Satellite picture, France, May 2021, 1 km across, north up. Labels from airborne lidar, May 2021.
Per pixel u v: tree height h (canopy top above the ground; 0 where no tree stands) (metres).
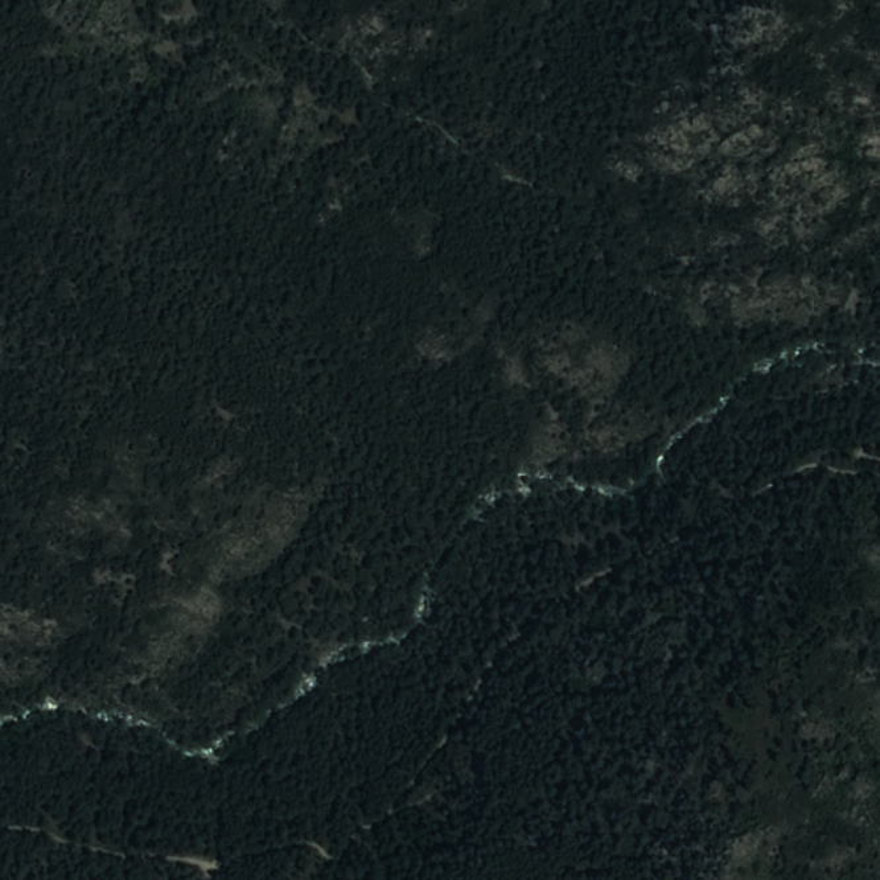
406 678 28
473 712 23
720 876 10
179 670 8
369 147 20
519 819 24
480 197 21
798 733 14
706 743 7
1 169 12
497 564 23
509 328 19
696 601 33
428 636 22
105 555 16
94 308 19
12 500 18
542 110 27
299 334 21
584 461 14
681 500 22
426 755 10
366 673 24
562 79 28
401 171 20
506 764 28
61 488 15
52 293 14
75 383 11
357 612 19
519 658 19
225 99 11
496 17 18
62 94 7
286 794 32
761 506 26
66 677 12
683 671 29
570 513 20
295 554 32
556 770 28
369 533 36
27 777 28
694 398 24
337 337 12
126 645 14
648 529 19
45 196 23
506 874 31
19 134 22
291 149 7
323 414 17
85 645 21
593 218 21
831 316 7
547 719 27
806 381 22
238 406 28
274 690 26
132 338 18
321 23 19
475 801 19
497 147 26
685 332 13
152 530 15
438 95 8
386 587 25
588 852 20
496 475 18
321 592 27
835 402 24
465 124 29
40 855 26
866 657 23
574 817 14
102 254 28
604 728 24
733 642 30
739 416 33
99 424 16
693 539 30
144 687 17
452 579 23
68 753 23
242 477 16
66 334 17
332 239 10
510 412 26
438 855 24
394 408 23
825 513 11
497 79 6
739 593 31
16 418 12
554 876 29
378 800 29
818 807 8
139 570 19
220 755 15
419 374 15
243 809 25
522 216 25
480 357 8
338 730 30
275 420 19
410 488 25
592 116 19
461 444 28
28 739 24
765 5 15
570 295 21
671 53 22
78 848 23
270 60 7
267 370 14
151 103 34
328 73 23
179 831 25
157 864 26
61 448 16
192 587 7
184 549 18
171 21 6
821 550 11
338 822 30
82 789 27
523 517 19
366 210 18
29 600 16
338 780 23
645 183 20
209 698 14
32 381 16
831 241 7
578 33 19
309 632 23
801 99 11
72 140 19
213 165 18
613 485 13
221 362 28
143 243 18
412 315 11
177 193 14
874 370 25
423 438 20
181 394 16
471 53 12
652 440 16
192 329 18
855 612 6
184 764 20
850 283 26
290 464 16
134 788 28
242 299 21
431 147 27
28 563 16
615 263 30
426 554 31
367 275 12
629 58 23
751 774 30
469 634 21
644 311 17
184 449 13
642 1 23
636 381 23
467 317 15
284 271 12
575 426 16
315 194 6
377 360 21
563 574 26
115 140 12
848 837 7
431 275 13
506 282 23
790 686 9
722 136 6
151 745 25
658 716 22
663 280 21
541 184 26
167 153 13
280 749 33
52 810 28
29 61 16
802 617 10
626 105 12
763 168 6
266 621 19
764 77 10
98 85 9
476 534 28
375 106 24
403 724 23
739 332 7
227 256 14
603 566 30
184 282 26
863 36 13
